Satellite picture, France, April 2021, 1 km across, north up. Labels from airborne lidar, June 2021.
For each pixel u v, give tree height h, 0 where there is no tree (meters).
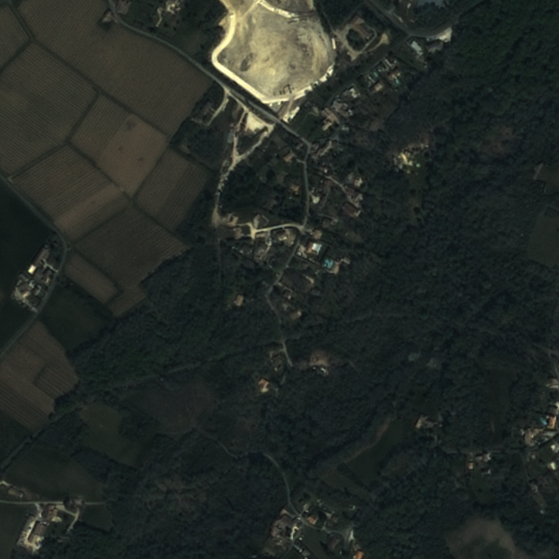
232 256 15
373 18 24
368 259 18
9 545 0
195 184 0
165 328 12
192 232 9
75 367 20
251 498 9
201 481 16
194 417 0
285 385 10
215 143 17
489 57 18
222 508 10
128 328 21
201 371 7
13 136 0
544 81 16
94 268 0
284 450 10
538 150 14
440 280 10
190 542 13
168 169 0
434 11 14
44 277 0
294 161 11
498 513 19
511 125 6
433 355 24
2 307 0
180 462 12
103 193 0
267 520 10
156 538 9
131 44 0
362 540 15
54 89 0
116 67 0
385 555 16
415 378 15
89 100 0
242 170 6
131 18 0
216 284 14
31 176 0
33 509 0
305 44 0
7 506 0
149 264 0
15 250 0
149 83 0
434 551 21
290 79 0
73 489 0
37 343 0
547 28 21
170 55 0
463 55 18
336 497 7
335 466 19
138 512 13
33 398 0
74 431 15
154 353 21
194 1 7
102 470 8
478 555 0
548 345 14
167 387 19
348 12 17
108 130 0
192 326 17
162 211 0
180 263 17
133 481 6
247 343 20
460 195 9
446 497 19
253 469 11
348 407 11
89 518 0
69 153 0
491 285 25
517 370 15
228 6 0
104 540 16
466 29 18
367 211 8
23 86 0
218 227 0
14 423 0
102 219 0
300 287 17
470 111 31
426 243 15
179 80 0
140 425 7
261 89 0
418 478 21
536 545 22
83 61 0
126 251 0
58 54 0
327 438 18
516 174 8
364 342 18
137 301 0
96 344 17
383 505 16
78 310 0
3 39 0
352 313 12
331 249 6
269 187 13
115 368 12
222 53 0
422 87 22
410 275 17
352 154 12
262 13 0
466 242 22
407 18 0
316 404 12
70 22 0
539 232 0
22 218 0
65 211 0
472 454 0
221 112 0
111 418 0
